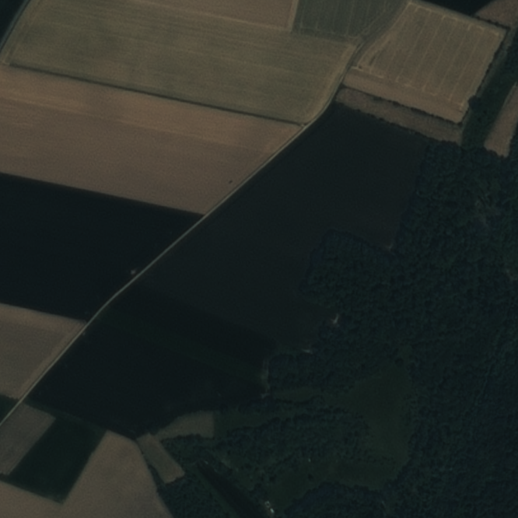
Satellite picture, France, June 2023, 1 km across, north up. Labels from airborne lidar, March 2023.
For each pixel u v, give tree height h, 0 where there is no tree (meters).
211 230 0
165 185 0
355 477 0
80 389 0
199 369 0
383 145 0
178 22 0
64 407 0
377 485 0
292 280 0
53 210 0
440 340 28
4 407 0
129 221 0
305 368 18
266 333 0
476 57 0
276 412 7
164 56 0
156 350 0
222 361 0
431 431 13
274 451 15
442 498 8
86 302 0
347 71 0
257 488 10
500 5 0
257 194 0
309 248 0
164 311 0
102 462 0
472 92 0
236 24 0
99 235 0
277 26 0
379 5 0
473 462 14
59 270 0
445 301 26
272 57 0
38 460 0
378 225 0
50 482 0
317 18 0
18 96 0
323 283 21
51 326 0
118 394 0
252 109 0
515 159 6
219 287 0
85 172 0
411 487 7
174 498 9
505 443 22
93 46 0
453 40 0
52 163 0
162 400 0
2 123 0
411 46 0
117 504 0
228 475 11
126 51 0
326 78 0
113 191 0
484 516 18
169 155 0
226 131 0
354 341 29
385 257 28
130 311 0
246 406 9
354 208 0
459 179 25
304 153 0
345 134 0
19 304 0
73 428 0
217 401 0
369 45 0
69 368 0
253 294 0
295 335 0
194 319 0
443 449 23
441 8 0
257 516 0
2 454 0
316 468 0
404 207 0
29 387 0
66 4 0
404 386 0
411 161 0
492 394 15
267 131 0
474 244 26
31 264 0
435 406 26
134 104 0
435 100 0
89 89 0
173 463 0
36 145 0
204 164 0
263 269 0
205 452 7
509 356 22
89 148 0
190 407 0
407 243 26
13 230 0
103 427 0
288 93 0
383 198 0
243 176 0
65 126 0
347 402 0
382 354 24
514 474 23
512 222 16
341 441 7
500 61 0
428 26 0
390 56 0
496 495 17
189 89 0
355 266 29
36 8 0
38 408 0
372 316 31
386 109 0
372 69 0
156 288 0
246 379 0
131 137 0
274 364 18
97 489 0
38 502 0
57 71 0
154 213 0
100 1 0
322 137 0
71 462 0
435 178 17
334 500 15
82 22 0
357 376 18
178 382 0
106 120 0
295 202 0
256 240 0
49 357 0
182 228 0
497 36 0
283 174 0
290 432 12
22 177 0
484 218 31
